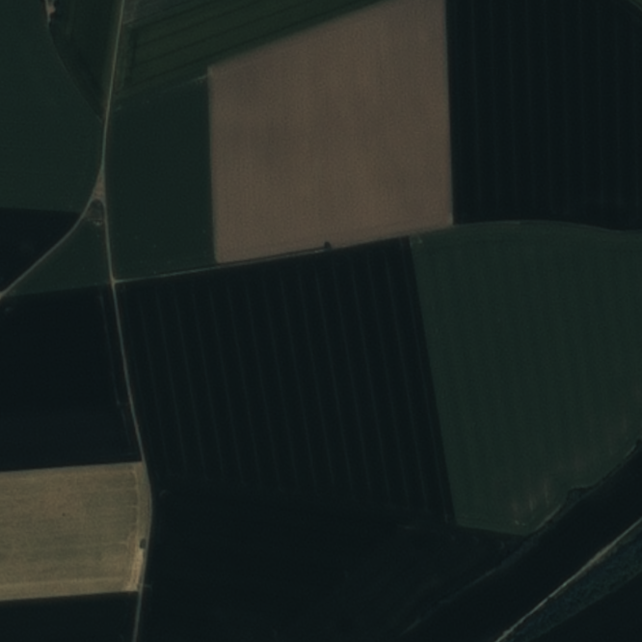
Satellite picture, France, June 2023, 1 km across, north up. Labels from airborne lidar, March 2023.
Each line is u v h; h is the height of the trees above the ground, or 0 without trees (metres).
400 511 0
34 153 0
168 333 0
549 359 0
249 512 0
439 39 0
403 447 0
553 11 0
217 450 0
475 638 0
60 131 0
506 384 0
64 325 0
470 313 0
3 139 0
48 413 0
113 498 0
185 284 0
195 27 0
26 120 0
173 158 0
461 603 0
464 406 0
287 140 0
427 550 0
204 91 0
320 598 0
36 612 0
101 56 0
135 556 0
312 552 0
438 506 0
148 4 0
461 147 0
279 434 0
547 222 0
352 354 0
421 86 0
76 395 0
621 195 0
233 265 0
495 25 0
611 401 0
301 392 0
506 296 0
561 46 0
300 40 0
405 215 0
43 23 0
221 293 0
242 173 0
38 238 0
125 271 0
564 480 0
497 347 0
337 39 0
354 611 0
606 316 0
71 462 0
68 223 0
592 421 0
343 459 0
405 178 0
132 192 0
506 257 0
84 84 0
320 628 0
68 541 0
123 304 0
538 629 12
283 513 0
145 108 0
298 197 0
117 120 0
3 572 0
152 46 0
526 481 0
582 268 0
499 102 0
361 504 0
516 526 0
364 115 0
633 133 0
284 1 0
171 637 0
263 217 0
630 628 0
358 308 0
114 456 0
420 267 0
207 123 0
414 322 0
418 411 0
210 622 0
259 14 0
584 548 0
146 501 0
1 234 0
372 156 0
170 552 0
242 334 0
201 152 0
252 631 0
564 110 0
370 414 0
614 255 0
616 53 0
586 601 12
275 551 0
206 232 0
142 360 0
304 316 0
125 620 0
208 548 0
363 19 0
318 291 0
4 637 0
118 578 0
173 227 0
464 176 0
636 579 0
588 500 0
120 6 0
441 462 0
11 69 0
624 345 0
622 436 0
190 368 0
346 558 0
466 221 0
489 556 0
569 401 0
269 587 0
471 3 0
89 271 0
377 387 0
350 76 0
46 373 0
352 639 0
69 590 0
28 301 0
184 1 0
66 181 0
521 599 0
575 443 0
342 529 0
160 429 0
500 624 0
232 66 0
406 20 0
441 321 0
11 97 0
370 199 0
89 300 0
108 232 0
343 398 0
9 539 0
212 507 0
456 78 0
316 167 0
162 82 0
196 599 0
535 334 0
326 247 7
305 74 0
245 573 0
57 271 0
